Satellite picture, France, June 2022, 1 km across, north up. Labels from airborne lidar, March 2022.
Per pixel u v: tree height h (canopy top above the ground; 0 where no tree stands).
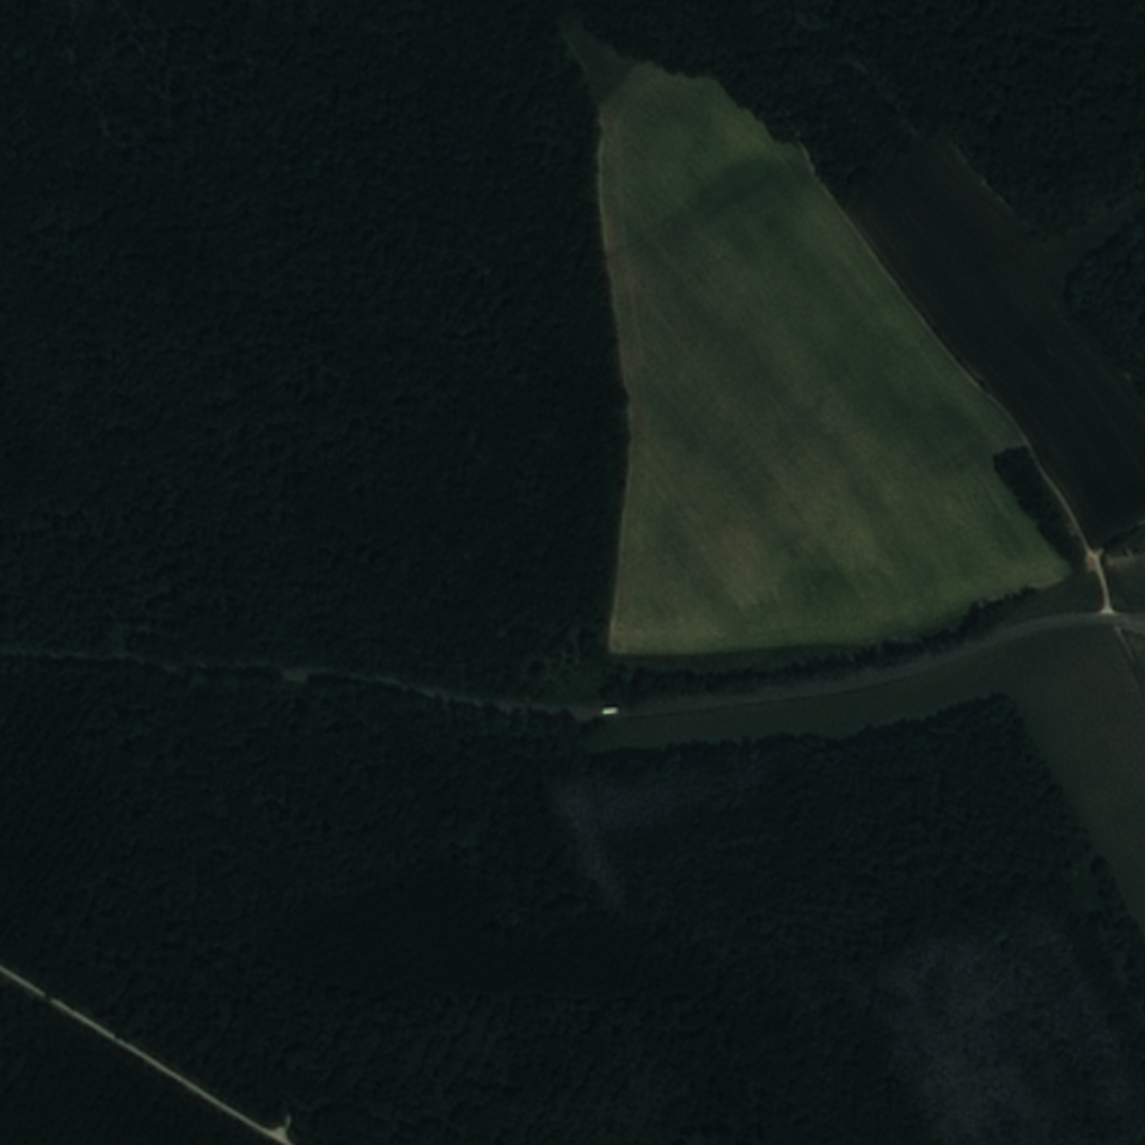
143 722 22
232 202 0
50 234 21
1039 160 12
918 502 0
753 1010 22
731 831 16
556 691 0
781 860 17
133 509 20
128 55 25
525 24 15
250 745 20
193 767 0
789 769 18
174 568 0
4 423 0
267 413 0
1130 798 0
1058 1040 14
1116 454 0
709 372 0
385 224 16
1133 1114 20
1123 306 20
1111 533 0
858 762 23
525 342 16
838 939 20
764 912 12
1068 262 0
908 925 19
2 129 0
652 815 18
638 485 0
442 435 18
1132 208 0
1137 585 0
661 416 0
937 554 0
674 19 19
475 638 18
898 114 21
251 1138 0
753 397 0
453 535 17
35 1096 0
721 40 23
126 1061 0
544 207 18
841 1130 18
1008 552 0
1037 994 18
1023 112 18
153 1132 0
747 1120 7
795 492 0
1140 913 0
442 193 18
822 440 0
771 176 0
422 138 17
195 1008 16
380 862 19
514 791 25
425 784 19
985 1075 19
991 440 0
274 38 17
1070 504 0
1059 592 0
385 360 20
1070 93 16
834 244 0
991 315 0
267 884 0
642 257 0
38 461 0
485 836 23
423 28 18
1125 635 0
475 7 18
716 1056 8
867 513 0
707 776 19
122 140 0
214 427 20
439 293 18
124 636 0
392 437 20
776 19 22
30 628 14
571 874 26
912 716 0
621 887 20
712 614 0
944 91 15
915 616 0
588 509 13
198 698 23
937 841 20
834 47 19
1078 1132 17
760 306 0
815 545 0
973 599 0
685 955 19
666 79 0
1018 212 19
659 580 0
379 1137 14
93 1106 0
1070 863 15
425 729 21
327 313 19
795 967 22
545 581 15
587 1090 7
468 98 20
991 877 16
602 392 18
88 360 0
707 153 0
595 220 13
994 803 16
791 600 0
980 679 0
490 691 15
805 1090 21
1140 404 0
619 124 0
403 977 9
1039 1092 19
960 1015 17
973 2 13
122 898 19
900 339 0
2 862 0
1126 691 0
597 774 22
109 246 0
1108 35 17
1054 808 7
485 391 18
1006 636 0
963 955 18
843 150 17
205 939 16
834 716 0
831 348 0
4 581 17
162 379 0
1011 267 0
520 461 11
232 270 0
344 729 0
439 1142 15
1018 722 13
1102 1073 20
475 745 22
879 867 19
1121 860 0
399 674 18
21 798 0
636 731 0
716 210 0
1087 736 0
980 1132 16
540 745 24
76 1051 0
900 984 17
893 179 0
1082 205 19
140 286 0
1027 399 0
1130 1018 18
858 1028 19
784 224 0
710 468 0
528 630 19
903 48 17
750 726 0
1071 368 0
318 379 19
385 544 20
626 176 0
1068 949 17
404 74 25
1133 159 19
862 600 0
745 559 0
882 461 0
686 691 6
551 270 16
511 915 21
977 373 0
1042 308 0
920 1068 18
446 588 16
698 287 0
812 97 13
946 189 0
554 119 8
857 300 0
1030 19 18
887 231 0
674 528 0
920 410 0
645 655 0
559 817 20
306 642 12
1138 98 17
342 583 0
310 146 18
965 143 13
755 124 0
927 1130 17
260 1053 0
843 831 17
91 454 0
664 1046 17
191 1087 0
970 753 20
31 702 0
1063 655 0
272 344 19
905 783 24
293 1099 0
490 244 18
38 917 0
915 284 0
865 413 0
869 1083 21
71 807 0
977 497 0
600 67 0
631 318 0
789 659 0
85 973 18
